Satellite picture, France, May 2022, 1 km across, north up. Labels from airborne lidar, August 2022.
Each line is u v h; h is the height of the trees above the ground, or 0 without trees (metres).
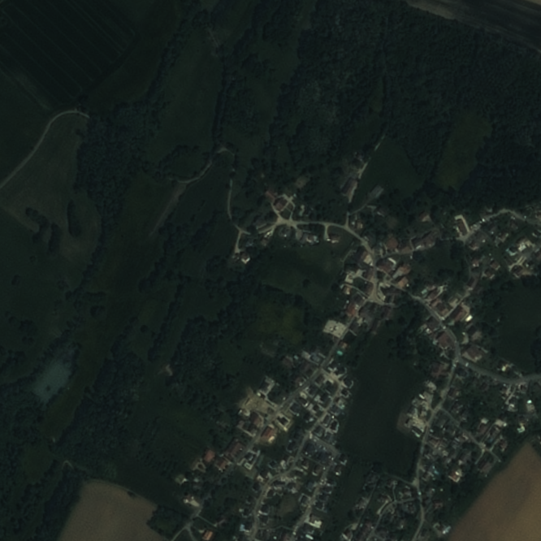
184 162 0
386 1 17
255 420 0
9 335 0
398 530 6
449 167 0
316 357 0
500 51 7
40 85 0
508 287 21
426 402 0
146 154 15
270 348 0
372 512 6
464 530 0
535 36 0
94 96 0
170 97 0
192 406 15
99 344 0
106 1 0
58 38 0
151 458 6
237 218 10
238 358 0
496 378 0
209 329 17
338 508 0
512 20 0
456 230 6
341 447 13
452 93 6
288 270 0
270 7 23
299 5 25
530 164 28
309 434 0
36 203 0
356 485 0
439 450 0
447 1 0
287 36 24
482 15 0
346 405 0
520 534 0
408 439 0
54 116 0
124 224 0
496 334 22
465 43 6
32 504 17
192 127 0
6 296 0
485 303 19
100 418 26
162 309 0
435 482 7
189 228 13
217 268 19
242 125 19
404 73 18
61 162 0
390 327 14
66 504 18
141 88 0
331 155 18
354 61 15
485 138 0
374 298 0
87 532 0
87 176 9
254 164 14
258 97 0
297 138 14
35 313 0
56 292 0
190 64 0
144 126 19
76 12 0
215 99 0
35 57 0
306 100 21
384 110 8
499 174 28
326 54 21
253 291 22
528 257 0
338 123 21
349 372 0
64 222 0
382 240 13
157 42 0
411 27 14
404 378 0
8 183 0
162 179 15
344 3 27
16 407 25
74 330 18
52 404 11
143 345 0
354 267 7
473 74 24
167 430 0
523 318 0
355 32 23
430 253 0
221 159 13
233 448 0
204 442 0
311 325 16
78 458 23
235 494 0
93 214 0
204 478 7
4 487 22
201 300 0
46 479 11
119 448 23
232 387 16
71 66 0
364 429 0
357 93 14
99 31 0
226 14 31
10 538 0
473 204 20
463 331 0
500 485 0
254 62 16
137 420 0
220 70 0
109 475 21
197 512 0
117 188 22
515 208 18
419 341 9
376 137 8
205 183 0
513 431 8
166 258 9
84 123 0
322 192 0
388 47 25
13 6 0
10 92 0
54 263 0
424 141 10
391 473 8
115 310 0
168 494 0
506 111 19
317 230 16
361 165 11
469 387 6
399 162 0
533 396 8
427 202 8
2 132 0
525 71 20
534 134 28
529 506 0
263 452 11
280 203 0
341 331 0
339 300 0
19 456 24
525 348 0
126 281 0
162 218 0
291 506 0
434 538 0
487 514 0
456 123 6
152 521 8
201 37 0
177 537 0
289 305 13
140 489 0
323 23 18
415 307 12
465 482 9
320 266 0
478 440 8
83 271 0
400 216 7
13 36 0
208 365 22
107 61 0
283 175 7
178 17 0
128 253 0
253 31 11
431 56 8
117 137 28
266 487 0
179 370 21
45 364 18
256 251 15
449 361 5
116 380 30
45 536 15
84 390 0
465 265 10
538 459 0
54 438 0
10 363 18
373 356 0
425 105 23
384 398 0
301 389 0
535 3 0
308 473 0
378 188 0
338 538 0
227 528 16
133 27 0
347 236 0
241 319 21
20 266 0
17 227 0
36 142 0
